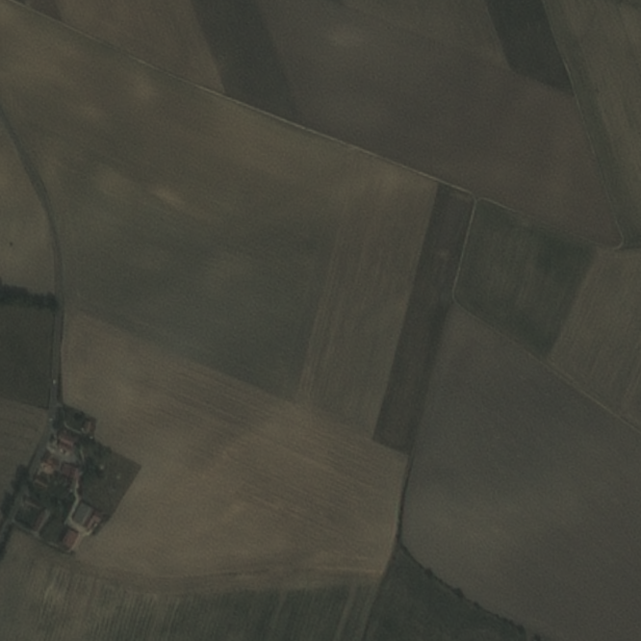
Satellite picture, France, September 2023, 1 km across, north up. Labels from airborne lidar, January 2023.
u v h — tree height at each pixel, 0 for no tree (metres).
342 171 0
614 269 0
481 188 0
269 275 0
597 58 0
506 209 0
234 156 0
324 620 0
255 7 0
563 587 0
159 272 0
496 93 0
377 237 0
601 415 0
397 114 0
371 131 0
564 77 0
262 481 0
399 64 0
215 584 0
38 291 0
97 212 0
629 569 0
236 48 0
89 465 12
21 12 0
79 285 0
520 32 0
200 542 0
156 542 0
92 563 0
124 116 0
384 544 0
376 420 0
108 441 0
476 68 0
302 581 0
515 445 0
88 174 0
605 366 0
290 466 0
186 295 0
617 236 0
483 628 0
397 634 0
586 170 0
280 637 0
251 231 0
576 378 0
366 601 0
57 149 0
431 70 0
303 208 0
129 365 0
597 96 0
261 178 0
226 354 0
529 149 0
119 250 0
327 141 0
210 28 0
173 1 0
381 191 0
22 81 0
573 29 0
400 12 0
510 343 0
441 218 0
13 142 0
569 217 0
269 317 0
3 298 17
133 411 0
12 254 0
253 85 0
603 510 0
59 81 0
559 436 0
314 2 0
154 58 0
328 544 0
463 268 0
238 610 0
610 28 0
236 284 0
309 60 0
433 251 0
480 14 0
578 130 0
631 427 0
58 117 0
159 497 0
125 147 0
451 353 0
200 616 0
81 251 0
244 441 0
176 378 0
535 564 0
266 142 0
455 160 0
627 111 0
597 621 0
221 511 0
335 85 0
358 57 0
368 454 0
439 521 0
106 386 0
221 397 0
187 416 0
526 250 0
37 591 0
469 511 0
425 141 0
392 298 0
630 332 0
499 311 0
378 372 0
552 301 0
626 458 0
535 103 0
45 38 0
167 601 0
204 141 0
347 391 0
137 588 0
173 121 0
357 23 0
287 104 0
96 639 0
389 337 0
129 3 0
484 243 0
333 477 0
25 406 0
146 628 0
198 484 0
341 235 0
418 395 0
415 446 0
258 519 0
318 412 0
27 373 0
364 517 0
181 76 0
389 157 0
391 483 0
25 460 0
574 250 0
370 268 0
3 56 0
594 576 0
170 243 0
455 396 0
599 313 0
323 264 0
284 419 0
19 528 0
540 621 0
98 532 0
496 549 0
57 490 0
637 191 0
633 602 0
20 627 0
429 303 0
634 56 0
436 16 0
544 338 0
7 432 0
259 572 0
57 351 0
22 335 0
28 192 0
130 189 0
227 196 0
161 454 0
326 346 0
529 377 0
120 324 0
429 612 0
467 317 0
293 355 0
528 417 0
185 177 0
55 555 0
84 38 0
